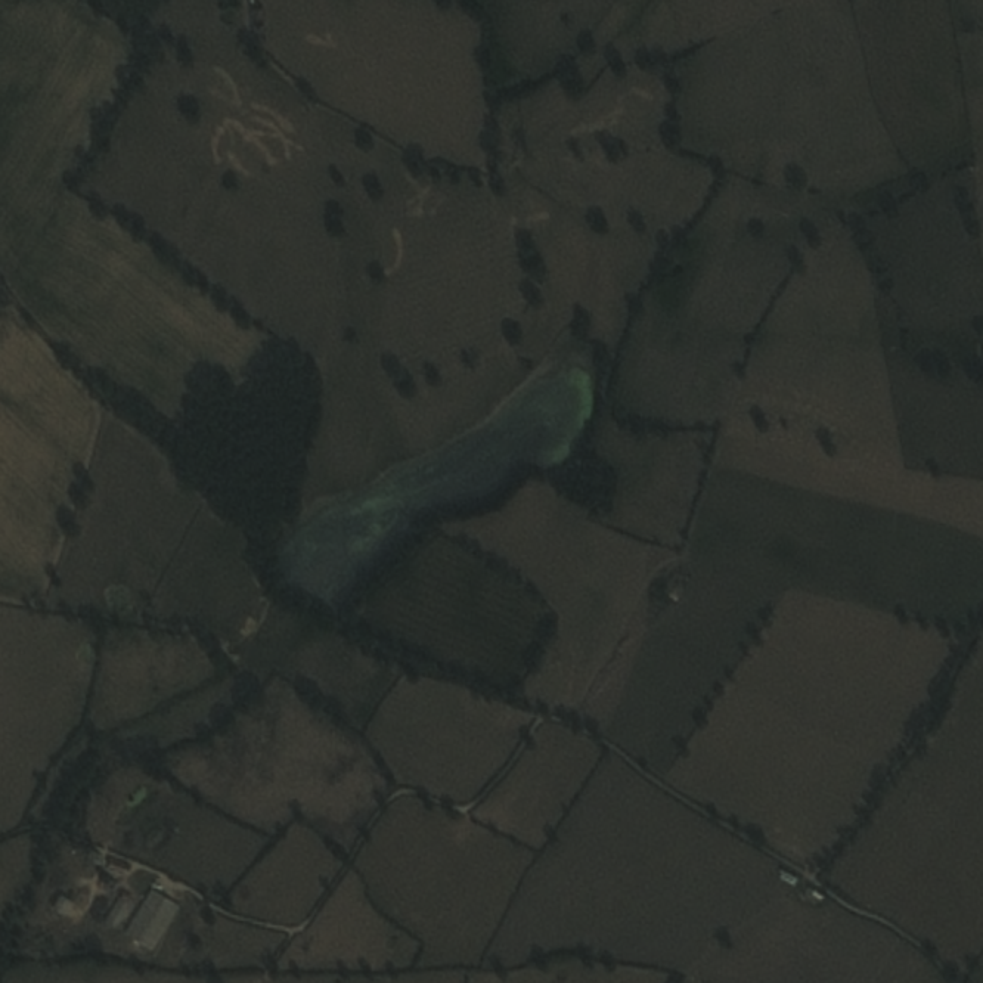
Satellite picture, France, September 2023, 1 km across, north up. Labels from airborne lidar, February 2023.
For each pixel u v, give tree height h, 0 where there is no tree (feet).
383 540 0
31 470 0
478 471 0
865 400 0
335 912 0
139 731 0
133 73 36
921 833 0
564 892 0
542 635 47
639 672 0
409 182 0
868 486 0
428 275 0
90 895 0
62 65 0
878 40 0
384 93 0
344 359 0
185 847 0
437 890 0
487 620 0
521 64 0
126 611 0
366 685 0
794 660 0
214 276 0
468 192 0
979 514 0
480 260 0
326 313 0
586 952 50
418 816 0
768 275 0
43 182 0
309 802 0
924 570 0
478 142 0
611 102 0
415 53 0
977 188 0
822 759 0
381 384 0
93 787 0
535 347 0
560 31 0
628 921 0
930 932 0
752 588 0
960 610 0
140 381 0
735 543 0
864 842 0
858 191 0
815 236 48
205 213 0
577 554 0
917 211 0
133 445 0
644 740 0
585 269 0
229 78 0
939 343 0
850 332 0
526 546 0
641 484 0
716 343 0
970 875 0
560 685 0
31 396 0
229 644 0
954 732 0
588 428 36
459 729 0
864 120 0
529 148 83
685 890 0
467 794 0
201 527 0
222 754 0
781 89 0
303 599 56
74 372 46
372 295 0
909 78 0
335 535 0
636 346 0
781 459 0
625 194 0
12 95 0
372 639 52
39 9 0
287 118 0
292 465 84
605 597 0
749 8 0
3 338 0
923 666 0
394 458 0
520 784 0
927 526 0
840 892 20
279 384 65
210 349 0
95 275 0
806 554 0
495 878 0
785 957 0
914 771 0
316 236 0
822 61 0
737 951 0
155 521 0
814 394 0
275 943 0
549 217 0
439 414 0
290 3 0
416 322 0
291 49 0
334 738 0
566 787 0
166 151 0
